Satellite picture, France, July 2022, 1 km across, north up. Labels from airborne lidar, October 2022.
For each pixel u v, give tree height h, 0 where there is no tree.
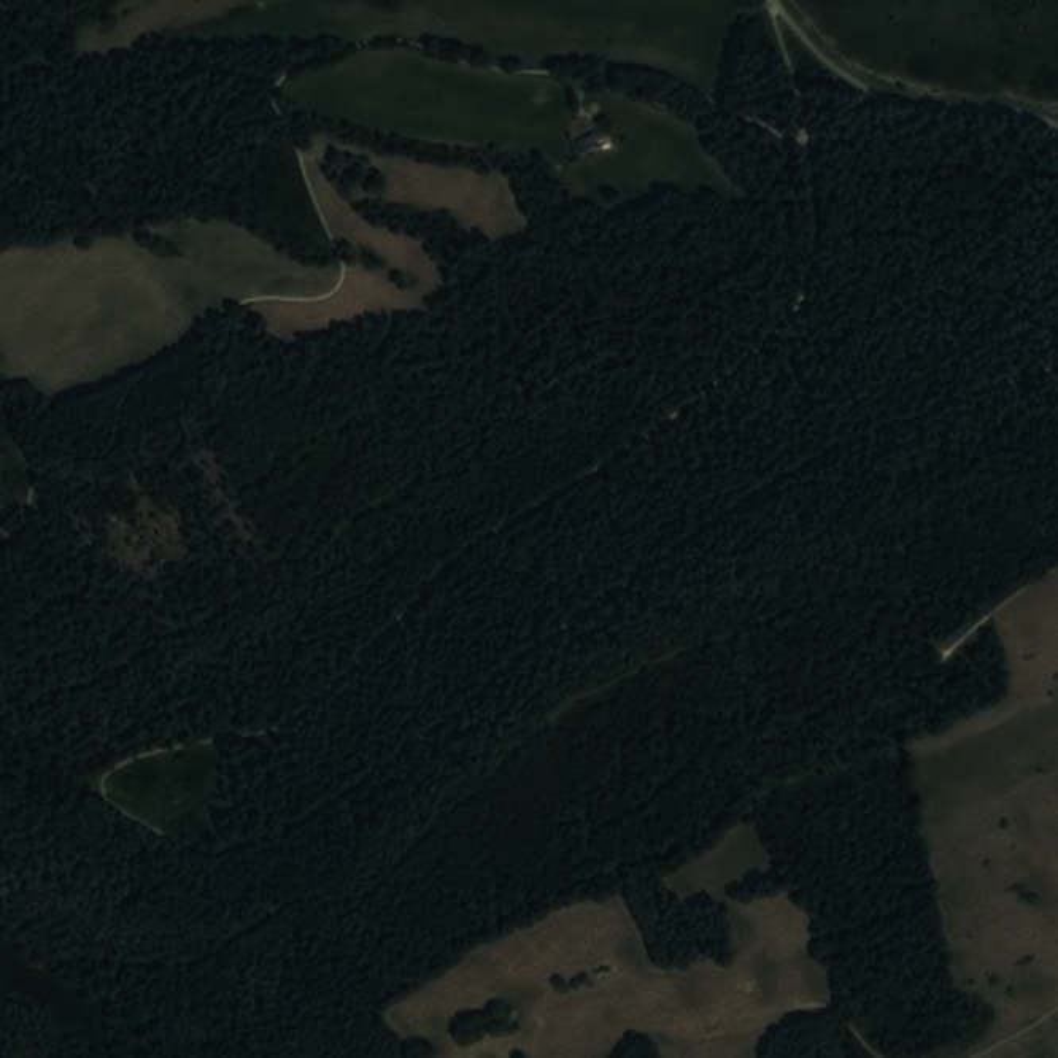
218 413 9
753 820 25
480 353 19
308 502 8
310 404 15
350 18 0
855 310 30
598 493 31
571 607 35
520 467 22
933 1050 14
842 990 18
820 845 8
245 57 23
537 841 21
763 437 28
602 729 7
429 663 31
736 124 31
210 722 37
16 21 31
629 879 30
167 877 20
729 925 20
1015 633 0
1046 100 0
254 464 9
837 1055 22
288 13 0
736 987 0
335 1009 27
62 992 8
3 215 17
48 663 25
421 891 20
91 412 26
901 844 9
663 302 8
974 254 30
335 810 25
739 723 24
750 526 34
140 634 20
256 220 16
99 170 25
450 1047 0
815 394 44
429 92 0
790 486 29
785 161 32
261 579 14
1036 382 28
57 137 36
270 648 33
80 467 23
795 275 25
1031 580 15
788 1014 0
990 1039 0
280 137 29
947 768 0
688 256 19
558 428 24
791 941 0
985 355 34
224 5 0
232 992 8
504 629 33
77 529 18
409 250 0
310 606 25
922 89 0
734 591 19
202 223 14
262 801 35
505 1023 6
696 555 26
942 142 13
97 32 0
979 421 39
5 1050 11
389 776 29
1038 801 0
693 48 0
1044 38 0
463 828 16
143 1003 23
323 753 31
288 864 21
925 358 29
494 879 21
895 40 0
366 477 15
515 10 0
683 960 24
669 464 30
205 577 10
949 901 0
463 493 23
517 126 0
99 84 25
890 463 33
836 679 19
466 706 20
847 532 14
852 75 0
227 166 17
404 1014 0
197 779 0
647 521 30
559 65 21
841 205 30
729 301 15
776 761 16
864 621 23
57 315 0
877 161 32
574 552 25
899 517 12
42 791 23
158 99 31
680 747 21
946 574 14
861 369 36
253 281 0
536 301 16
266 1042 26
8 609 27
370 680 30
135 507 9
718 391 23
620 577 33
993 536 17
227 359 32
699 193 0
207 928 17
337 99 0
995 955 0
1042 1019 0
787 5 0
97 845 18
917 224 11
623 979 0
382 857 15
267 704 24
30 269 0
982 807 0
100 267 0
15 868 25
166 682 21
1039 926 0
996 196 17
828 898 12
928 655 18
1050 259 43
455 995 0
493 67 19
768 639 24
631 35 0
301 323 0
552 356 22
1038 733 0
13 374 0
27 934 23
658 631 11
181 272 0
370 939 24
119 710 26
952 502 16
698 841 29
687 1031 0
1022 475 19
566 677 26
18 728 30
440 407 18
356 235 0
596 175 0
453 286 10
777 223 14
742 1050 0
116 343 0
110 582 26
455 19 0
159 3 0
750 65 36
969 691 22
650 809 16
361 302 0
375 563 28
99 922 15
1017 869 0
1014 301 30
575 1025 0
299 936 17
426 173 0
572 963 0
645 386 26
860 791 9
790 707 20
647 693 11
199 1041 22
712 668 18
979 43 0
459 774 21
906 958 28
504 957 0
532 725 17
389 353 17
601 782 17
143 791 0
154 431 24
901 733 8
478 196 0
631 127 0
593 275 7
